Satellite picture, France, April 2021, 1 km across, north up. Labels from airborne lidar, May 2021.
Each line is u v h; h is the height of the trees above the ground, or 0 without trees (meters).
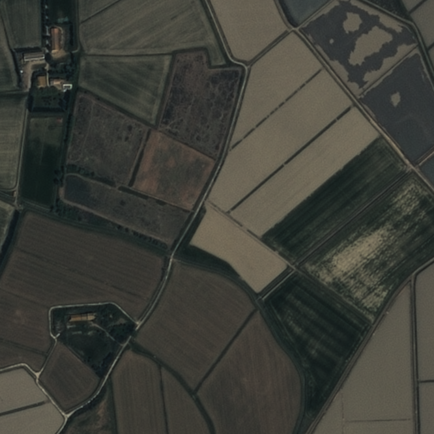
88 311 0
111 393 0
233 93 0
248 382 0
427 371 0
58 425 0
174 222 0
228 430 0
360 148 0
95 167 0
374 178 0
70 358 0
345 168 0
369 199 0
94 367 7
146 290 0
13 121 0
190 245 0
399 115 0
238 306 0
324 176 0
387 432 0
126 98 0
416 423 0
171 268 0
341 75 0
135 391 0
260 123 0
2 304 0
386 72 0
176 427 0
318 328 0
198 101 0
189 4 0
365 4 0
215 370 0
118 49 0
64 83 0
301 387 0
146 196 0
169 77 0
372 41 0
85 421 0
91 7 0
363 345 0
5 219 0
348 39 0
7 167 0
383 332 0
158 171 0
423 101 0
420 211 0
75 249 0
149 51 0
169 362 0
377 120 0
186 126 0
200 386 0
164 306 0
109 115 0
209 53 0
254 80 0
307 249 0
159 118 0
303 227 0
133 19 0
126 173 0
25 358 0
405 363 0
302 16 0
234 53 0
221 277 0
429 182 0
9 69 0
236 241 0
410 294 0
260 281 0
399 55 0
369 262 0
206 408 0
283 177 0
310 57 0
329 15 0
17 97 0
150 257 0
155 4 0
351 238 0
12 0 0
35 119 0
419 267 0
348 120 0
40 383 0
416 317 0
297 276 0
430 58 0
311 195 0
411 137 0
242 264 0
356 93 0
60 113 22
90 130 0
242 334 0
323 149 0
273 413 0
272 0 0
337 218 0
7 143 0
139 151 0
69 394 0
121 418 0
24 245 0
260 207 0
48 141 0
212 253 0
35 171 0
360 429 0
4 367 0
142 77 0
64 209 11
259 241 0
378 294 0
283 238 0
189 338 0
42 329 0
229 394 0
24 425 0
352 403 0
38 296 0
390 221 0
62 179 10
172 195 0
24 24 0
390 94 0
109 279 0
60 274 0
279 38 0
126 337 7
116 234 0
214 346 0
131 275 0
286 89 0
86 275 0
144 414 0
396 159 0
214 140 0
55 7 0
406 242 0
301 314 0
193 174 0
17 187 0
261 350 0
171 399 0
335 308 0
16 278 0
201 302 0
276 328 0
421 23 0
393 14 0
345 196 0
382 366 0
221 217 0
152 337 0
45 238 0
